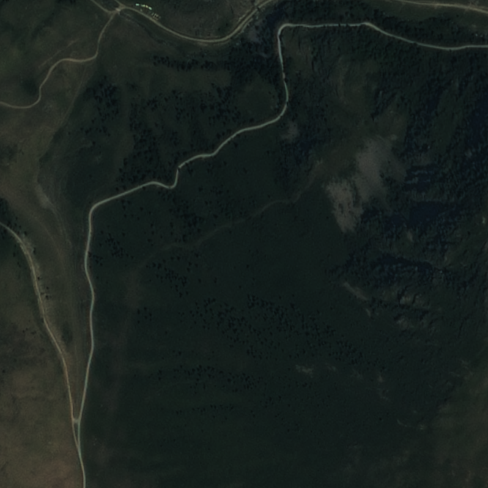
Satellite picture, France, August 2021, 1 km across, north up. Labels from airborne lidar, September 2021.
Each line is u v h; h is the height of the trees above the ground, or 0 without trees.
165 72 0
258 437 0
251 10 0
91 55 0
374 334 0
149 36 0
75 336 0
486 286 0
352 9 10
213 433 0
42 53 0
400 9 0
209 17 0
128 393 0
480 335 0
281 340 0
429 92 10
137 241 0
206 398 0
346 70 0
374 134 0
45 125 0
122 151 0
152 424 0
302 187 0
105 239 0
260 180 0
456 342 0
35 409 0
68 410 0
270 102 0
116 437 0
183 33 0
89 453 0
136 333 0
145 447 0
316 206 0
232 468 0
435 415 0
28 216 0
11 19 0
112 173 0
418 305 0
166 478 0
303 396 0
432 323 0
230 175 0
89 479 0
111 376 0
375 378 0
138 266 0
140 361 0
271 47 6
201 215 0
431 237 0
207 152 7
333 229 0
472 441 0
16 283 0
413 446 0
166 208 0
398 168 0
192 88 0
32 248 0
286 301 0
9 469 0
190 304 0
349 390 0
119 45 0
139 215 0
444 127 0
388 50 10
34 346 0
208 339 0
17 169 0
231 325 6
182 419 0
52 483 0
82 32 0
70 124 0
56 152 0
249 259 0
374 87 0
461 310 0
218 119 8
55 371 0
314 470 0
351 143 0
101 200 0
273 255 0
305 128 6
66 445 0
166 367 0
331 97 0
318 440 0
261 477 0
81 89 0
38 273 0
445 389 0
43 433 0
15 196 0
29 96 0
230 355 0
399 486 0
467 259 0
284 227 0
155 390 0
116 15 0
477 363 0
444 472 0
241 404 0
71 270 0
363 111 0
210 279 0
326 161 0
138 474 0
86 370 0
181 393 0
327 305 0
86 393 0
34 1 0
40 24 0
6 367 0
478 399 0
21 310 0
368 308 0
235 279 0
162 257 0
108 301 0
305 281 0
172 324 0
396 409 0
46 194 0
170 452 0
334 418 0
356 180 0
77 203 0
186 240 9
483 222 0
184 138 0
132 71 0
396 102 0
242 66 8
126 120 0
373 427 0
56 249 0
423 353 0
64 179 0
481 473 0
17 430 0
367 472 0
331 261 0
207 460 0
